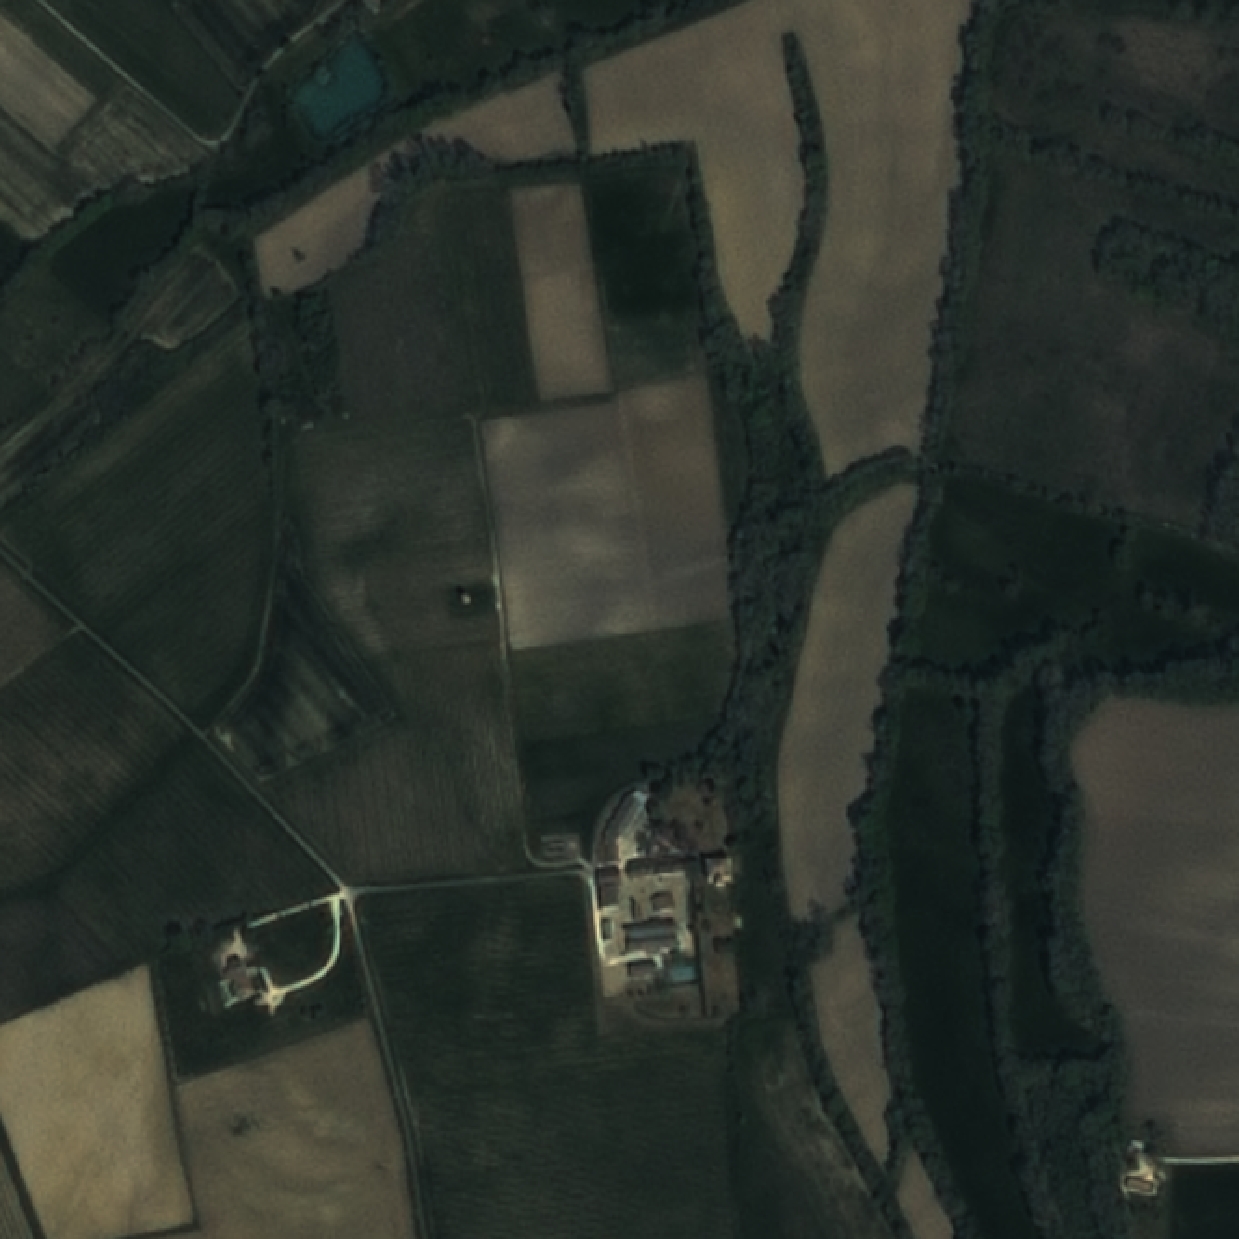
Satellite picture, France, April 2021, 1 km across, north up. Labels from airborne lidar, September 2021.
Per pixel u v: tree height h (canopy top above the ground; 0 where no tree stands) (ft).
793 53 28
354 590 0
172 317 0
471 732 0
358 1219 0
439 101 71
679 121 0
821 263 0
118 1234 0
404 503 0
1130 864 0
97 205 36
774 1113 0
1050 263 0
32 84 0
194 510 0
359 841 0
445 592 0
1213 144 66
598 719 0
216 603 0
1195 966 0
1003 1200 0
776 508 21
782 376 35
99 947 0
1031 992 0
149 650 0
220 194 0
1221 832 0
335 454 0
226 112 0
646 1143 0
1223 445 0
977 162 37
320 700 0
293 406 26
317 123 0
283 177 0
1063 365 0
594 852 0
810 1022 57
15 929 0
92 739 0
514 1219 0
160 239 0
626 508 0
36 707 0
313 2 0
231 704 0
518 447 0
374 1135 0
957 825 0
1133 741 0
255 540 0
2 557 0
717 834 0
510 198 0
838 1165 0
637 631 0
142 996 0
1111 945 0
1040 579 0
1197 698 58
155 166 0
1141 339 0
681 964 39
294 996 0
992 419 0
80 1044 0
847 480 35
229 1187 0
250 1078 0
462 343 0
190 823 0
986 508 0
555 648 0
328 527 0
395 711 0
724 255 0
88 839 0
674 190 0
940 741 0
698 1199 0
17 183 0
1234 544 61
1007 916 39
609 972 0
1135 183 41
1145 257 63
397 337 0
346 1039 0
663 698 0
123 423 26
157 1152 0
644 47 0
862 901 73
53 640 0
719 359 66
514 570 0
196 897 0
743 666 32
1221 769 0
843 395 0
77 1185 0
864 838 76
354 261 27
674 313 0
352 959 0
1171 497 0
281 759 0
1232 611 0
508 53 0
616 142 0
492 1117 0
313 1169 0
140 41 0
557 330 0
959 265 48
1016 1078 59
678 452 0
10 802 0
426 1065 0
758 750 86
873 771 63
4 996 0
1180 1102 0
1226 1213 0
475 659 0
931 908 0
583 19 0
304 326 21
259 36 0
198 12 0
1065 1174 52
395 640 0
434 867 0
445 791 0
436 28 0
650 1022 0
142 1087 0
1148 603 45
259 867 0
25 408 0
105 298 0
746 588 60
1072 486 0
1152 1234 0
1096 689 73
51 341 0
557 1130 0
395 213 37
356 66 0
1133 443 0
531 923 0
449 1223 0
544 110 0
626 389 0
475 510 0
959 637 0
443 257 0
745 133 0
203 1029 0
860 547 0
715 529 0
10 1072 0
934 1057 0
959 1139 0
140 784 0
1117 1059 52
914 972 0
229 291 0
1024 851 0
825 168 63
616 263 0
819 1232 0
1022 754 0
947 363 67
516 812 0
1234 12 44
